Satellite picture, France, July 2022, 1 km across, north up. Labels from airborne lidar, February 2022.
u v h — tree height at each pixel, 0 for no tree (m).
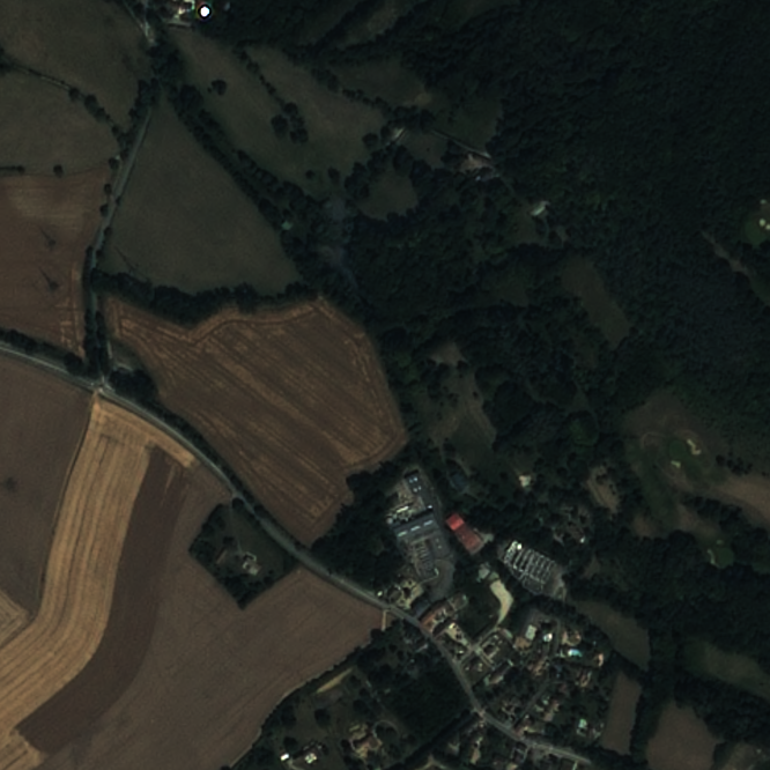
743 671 0
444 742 12
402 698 6
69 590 0
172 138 0
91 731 0
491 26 14
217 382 0
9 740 0
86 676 0
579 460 16
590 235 19
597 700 8
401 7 0
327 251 0
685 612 19
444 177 17
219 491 0
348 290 16
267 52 0
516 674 20
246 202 0
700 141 10
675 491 0
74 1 0
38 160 0
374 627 0
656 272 17
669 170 20
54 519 0
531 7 20
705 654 0
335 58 9
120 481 0
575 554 12
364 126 0
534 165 18
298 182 0
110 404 0
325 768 0
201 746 0
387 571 11
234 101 0
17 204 0
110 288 8
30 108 0
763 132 17
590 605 0
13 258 0
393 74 0
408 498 0
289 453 0
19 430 0
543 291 16
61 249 0
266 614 0
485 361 12
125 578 0
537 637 10
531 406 16
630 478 9
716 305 18
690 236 16
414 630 7
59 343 0
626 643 0
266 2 26
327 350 0
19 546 0
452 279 19
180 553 0
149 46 0
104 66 0
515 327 8
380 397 0
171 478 0
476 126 0
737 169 14
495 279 26
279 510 0
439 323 14
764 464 0
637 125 20
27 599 0
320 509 0
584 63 29
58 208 0
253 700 0
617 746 0
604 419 7
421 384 11
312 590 0
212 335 0
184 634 0
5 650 0
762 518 0
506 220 20
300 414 0
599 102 22
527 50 26
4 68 12
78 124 0
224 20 20
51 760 0
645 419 0
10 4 0
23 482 0
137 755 0
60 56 0
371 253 25
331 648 0
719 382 8
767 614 24
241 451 0
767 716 11
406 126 8
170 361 0
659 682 27
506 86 27
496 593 0
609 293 5
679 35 19
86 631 0
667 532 0
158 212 0
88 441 0
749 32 18
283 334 0
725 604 25
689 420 0
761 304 12
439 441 0
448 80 23
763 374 15
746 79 18
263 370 0
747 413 12
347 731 0
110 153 0
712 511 17
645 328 11
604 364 10
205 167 0
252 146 0
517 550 0
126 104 0
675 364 10
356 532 6
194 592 0
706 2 23
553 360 14
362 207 0
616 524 9
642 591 9
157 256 0
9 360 0
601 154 22
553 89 22
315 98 0
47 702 0
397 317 18
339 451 0
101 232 0
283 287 0
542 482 13
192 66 0
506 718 8
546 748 0
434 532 0
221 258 0
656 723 19
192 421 0
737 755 0
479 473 12
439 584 0
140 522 0
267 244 0
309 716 0
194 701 0
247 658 0
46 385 0
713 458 0
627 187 21
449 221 26
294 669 0
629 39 23
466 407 0
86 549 0
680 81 17
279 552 7
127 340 0
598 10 24
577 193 17
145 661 0
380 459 0
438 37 11
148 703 0
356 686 12
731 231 17
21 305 0
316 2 21
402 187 0
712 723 24
